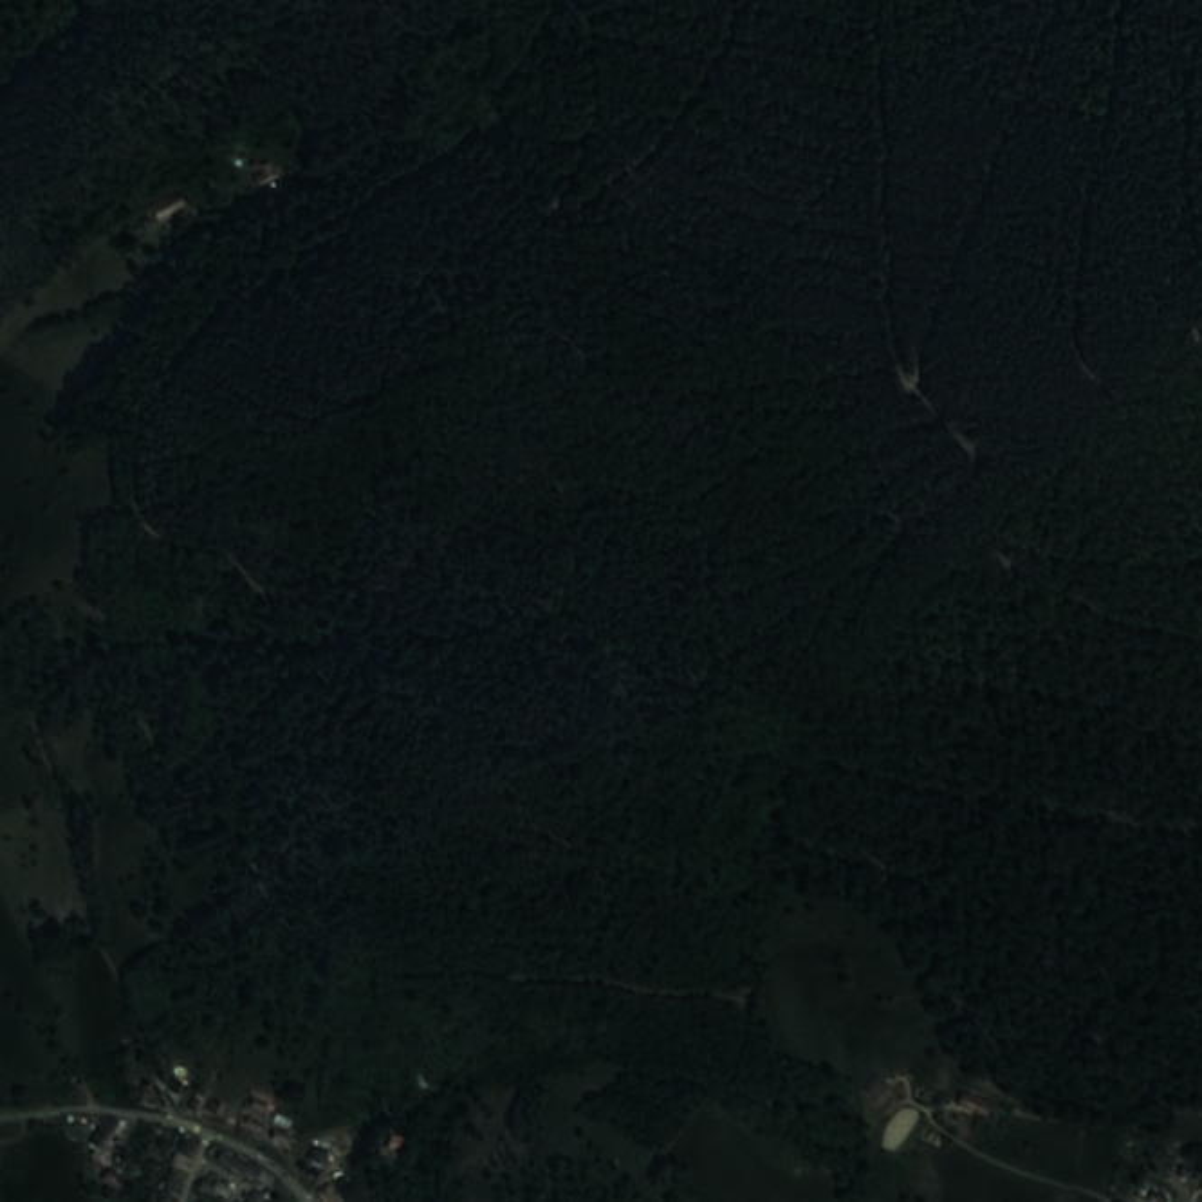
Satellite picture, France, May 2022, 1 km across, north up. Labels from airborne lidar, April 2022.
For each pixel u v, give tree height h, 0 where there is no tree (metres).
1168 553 23
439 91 26
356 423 21
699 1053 10
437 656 31
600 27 19
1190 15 25
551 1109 0
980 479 25
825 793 31
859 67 22
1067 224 24
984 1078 7
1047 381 21
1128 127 22
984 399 21
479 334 13
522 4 22
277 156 0
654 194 20
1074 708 29
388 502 38
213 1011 7
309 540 16
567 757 23
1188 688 24
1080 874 27
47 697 39
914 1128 0
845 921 0
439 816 18
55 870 0
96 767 0
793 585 22
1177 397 22
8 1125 0
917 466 19
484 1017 17
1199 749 20
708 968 8
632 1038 9
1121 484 23
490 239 24
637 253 22
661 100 21
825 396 24
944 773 22
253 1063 0
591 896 8
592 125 20
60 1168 0
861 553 19
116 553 9
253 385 26
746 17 17
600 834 19
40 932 8
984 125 22
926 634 24
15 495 0
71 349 0
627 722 39
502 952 16
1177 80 22
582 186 21
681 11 20
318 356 26
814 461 27
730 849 15
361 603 41
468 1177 0
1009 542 15
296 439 14
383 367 21
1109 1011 33
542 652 31
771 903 15
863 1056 0
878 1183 0
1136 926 31
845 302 23
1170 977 28
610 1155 0
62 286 0
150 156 13
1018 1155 0
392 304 27
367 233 30
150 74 20
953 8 20
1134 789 10
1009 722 7
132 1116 0
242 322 25
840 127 23
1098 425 18
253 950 11
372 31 28
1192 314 14
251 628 16
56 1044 13
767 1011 0
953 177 22
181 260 27
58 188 13
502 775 20
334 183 27
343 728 23
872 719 31
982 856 25
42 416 0
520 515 16
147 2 16
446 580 41
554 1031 9
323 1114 6
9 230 17
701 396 20
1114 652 21
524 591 34
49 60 22
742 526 23
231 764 31
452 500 21
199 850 31
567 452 19
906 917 13
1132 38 26
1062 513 23
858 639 23
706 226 22
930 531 20
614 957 8
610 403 19
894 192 23
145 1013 18
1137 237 21
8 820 0
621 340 26
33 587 0
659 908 7
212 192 6
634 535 26
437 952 18
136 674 17
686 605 30
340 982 16
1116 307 18
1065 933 32
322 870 21
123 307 6
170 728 26
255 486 17
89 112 23
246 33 21
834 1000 0
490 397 23
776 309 26
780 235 20
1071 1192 0
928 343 20
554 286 22
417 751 26
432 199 31
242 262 20
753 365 23
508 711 29
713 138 21
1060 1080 27
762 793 21
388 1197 11
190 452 17
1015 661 33
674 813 13
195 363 24
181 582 12
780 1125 13
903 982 0
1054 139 23
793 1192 0
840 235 20
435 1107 10
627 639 28
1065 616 27
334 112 33
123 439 20
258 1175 0
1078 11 24
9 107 22
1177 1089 14
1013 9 29
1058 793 26
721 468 25
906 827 30
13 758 0
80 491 0
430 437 18
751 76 23
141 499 16
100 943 16
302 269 11
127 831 0
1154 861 26
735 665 22
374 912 14
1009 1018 27
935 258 22
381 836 36
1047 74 27
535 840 17
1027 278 18
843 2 25
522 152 25
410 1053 21
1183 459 24
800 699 23
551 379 19
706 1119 0
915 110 20
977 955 28
